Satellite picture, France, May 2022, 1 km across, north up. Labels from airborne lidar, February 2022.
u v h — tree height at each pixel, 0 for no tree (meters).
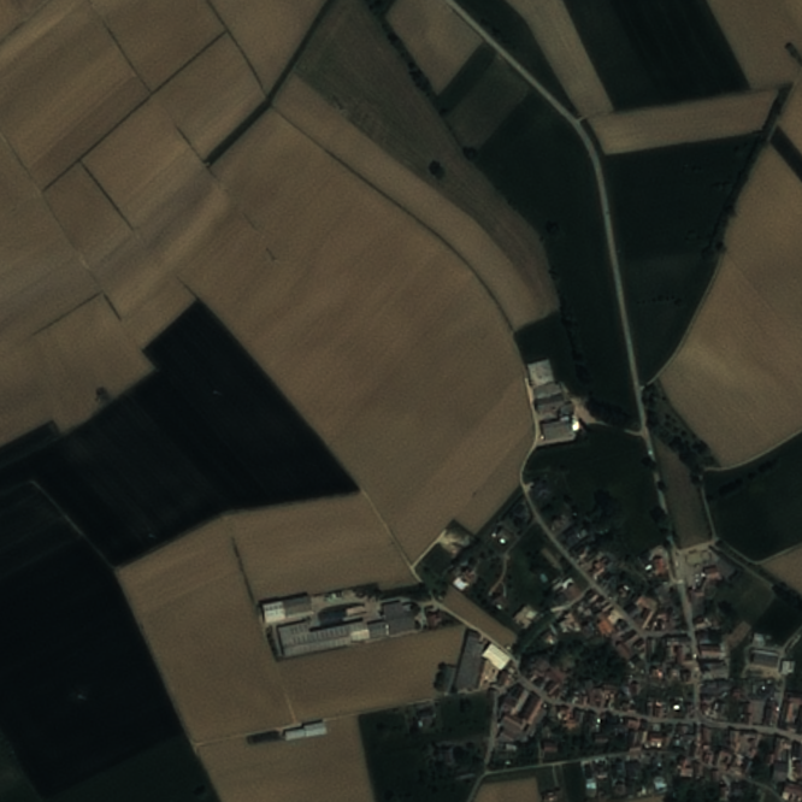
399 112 0
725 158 0
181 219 0
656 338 0
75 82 0
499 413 0
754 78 0
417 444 0
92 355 0
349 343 0
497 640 0
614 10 0
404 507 0
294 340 0
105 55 0
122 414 0
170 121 0
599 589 0
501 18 0
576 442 6
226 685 0
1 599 0
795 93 0
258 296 0
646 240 0
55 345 0
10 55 0
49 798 0
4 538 0
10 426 0
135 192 0
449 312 0
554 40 0
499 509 0
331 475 0
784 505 0
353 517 0
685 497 0
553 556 0
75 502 0
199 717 0
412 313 0
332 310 0
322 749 0
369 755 0
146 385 0
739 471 0
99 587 0
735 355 0
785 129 0
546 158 0
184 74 0
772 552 0
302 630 0
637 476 0
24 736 0
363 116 0
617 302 0
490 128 0
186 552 0
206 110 0
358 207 0
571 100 0
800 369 0
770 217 0
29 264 0
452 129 0
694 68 0
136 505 0
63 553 0
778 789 0
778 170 0
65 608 0
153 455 0
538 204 0
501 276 0
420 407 0
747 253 0
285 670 0
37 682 0
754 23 0
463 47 0
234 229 0
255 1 0
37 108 0
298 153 0
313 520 0
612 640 0
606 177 0
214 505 0
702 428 0
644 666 0
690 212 0
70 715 0
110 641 0
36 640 0
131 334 0
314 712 0
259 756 0
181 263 0
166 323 0
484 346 0
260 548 0
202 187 0
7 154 0
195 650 0
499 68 0
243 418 0
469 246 0
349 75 0
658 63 0
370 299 0
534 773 0
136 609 0
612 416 26
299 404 0
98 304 0
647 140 0
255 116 0
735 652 0
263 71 0
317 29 0
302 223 0
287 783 0
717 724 0
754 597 0
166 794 0
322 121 0
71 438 0
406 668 0
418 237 0
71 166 0
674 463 0
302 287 0
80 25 0
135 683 0
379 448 0
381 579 0
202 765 0
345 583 0
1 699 0
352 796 0
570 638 0
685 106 0
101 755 0
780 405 0
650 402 13
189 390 0
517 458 0
